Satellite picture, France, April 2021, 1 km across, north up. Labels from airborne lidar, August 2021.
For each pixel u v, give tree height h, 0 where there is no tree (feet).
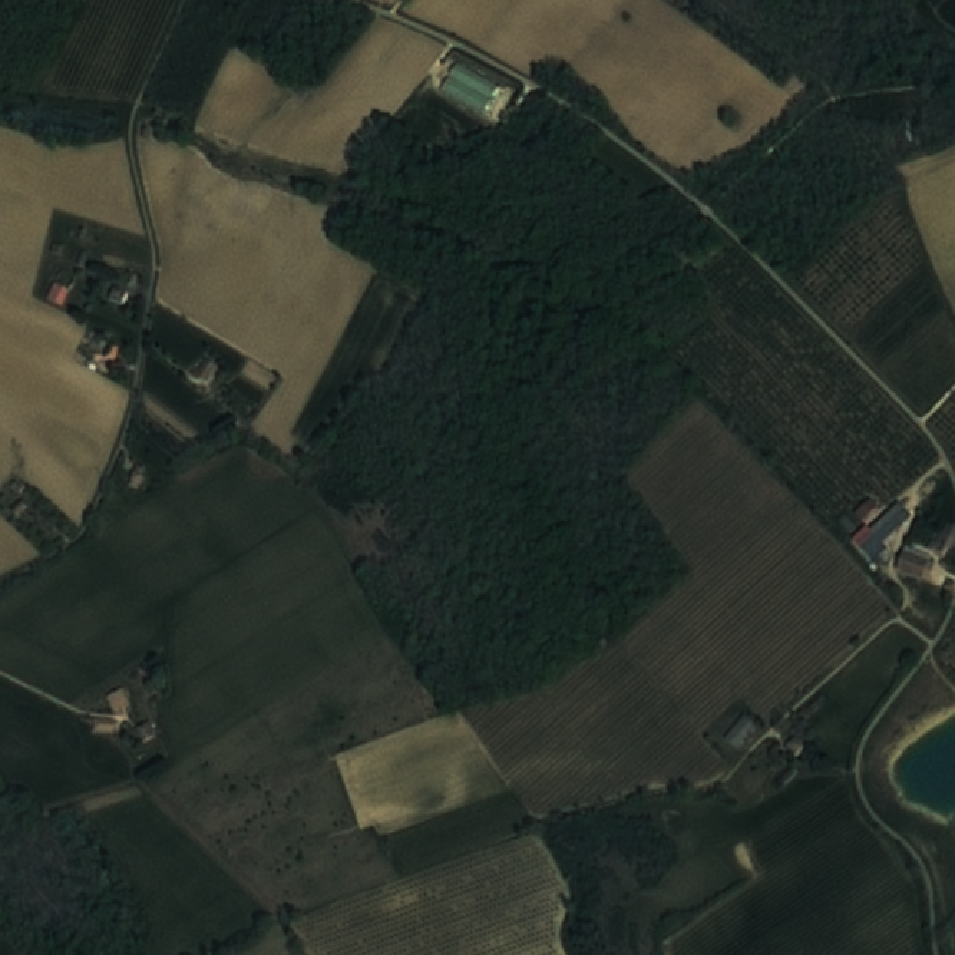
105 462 0
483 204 77
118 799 0
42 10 62
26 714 0
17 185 0
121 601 0
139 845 0
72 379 0
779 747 26
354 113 0
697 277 68
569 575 78
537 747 0
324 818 0
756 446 34
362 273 0
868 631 0
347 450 33
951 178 0
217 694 0
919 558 0
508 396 74
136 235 0
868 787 0
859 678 0
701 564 0
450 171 72
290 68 94
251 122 0
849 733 0
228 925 0
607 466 45
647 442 35
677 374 51
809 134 56
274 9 42
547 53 0
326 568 0
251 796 0
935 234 0
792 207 72
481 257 88
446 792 0
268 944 0
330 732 0
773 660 0
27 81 67
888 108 19
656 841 21
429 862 0
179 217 0
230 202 0
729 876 0
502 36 0
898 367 0
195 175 0
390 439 60
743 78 0
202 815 0
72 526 28
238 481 0
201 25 46
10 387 0
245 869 0
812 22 44
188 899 0
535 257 68
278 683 0
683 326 79
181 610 0
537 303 63
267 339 0
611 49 0
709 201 59
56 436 0
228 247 0
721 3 59
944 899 0
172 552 0
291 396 0
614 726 0
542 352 71
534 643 77
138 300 27
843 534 0
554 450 56
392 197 59
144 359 0
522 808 0
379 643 0
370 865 0
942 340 0
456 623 46
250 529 0
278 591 0
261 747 0
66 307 0
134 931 42
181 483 0
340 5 50
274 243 0
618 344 90
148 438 29
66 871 69
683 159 0
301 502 0
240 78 0
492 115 0
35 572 27
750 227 71
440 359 54
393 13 0
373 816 0
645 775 0
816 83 47
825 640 0
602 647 27
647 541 51
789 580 0
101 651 0
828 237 47
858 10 61
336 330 0
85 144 54
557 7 0
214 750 0
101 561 0
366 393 54
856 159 39
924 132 56
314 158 0
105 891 49
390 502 20
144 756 0
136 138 0
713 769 0
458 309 73
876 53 62
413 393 69
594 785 0
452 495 62
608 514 64
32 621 0
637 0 0
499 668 59
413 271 68
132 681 0
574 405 66
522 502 86
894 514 0
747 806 0
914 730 0
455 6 0
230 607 0
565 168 71
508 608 66
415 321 48
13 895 55
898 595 46
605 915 0
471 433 81
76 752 0
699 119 0
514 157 56
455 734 0
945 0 0
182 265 0
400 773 0
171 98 40
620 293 83
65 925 57
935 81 50
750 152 39
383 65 0
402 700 0
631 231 53
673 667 0
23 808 66
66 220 0
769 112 0
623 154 0
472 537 52
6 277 0
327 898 0
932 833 0
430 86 0
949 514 0
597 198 72
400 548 24
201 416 0
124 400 0
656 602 58
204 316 0
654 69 0
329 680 0
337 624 0
